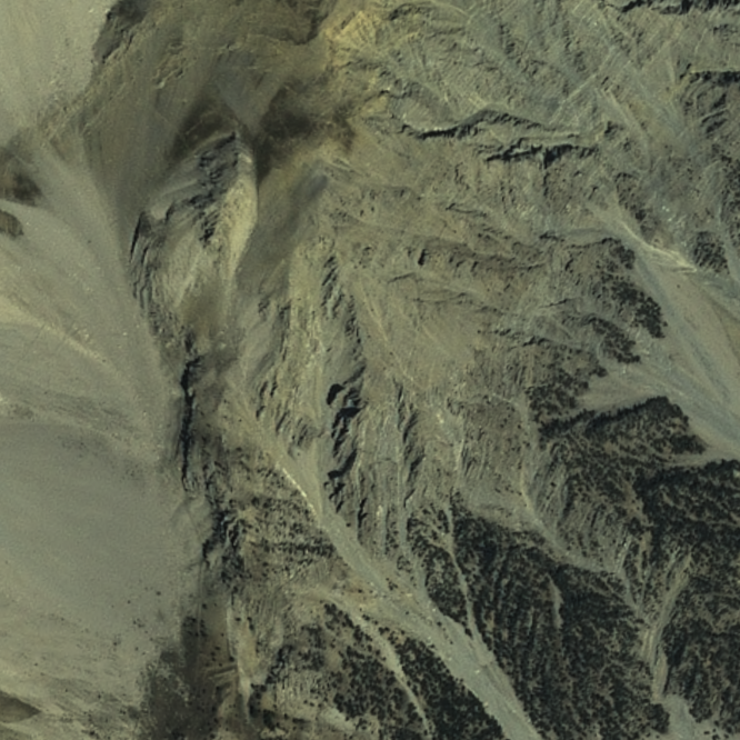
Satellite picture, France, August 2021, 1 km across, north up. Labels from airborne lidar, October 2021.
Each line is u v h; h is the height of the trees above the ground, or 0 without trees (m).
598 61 0
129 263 0
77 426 0
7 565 0
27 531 0
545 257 0
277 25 0
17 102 0
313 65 0
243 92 0
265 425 0
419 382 0
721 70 0
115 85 0
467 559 7
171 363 0
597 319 12
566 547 0
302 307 0
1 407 0
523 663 6
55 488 0
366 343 0
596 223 0
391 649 0
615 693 9
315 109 0
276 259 0
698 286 0
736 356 0
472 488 0
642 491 8
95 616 0
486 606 6
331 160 0
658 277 0
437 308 0
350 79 0
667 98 0
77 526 0
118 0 0
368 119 0
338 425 0
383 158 0
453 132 0
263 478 0
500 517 0
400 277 0
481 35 0
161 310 0
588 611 9
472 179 0
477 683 0
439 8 0
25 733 0
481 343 0
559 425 8
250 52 0
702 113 0
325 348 0
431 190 0
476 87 0
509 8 0
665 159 0
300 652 6
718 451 0
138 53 0
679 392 0
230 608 0
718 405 0
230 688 0
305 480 0
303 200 0
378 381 0
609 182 0
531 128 0
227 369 0
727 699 7
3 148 0
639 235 0
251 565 0
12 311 0
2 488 0
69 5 0
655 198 0
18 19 0
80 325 0
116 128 0
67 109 0
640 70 0
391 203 0
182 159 0
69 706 0
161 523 0
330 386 0
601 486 5
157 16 0
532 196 0
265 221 0
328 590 0
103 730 0
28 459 0
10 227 0
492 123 0
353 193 0
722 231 0
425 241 0
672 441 6
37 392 0
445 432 0
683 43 0
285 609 0
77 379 0
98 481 0
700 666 8
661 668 0
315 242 0
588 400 0
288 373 0
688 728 0
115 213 0
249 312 0
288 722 0
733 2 0
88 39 0
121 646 0
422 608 0
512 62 0
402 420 0
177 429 0
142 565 0
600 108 0
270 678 7
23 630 0
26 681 0
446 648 0
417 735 5
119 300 0
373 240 0
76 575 0
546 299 0
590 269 0
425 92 0
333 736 0
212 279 0
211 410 0
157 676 0
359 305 0
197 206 0
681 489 6
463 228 0
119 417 0
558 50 0
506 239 0
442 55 0
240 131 0
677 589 0
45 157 0
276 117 0
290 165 0
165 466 0
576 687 7
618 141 0
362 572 0
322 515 0
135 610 0
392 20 0
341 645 0
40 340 0
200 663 0
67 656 0
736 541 7
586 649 6
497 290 0
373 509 0
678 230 0
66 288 0
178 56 0
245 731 0
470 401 0
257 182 0
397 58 0
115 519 0
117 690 0
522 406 0
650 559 8
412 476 0
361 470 0
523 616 8
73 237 0
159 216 0
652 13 0
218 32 0
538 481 0
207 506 0
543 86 0
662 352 0
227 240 0
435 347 0
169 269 0
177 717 0
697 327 0
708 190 0
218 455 0
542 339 0
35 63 0
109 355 0
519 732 0
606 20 0
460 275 0
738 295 0
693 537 9
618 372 0
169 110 0
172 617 0
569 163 0
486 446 0
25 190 0
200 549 0
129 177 0
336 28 0
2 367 0
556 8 0
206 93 0
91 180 0
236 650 0
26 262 0
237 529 0
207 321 0
